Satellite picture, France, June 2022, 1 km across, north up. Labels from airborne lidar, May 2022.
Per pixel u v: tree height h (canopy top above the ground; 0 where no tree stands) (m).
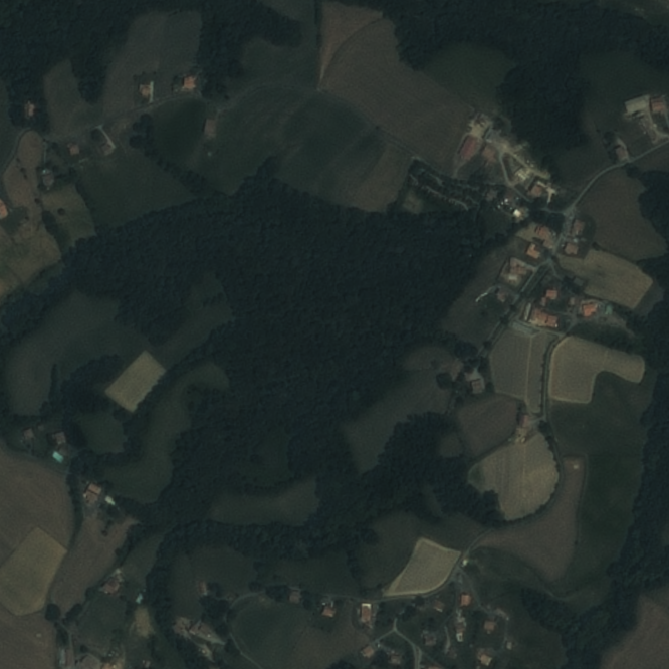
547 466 0
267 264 11
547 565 0
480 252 15
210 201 24
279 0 0
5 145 0
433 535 0
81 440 19
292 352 17
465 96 0
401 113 0
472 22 25
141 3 17
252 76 0
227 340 23
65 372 0
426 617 0
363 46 0
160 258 19
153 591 21
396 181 0
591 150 0
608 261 0
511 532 0
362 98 0
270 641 0
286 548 10
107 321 0
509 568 0
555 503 0
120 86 0
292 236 28
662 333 23
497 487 0
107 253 29
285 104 0
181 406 0
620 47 12
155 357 0
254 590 14
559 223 19
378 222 29
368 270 17
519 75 17
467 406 0
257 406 26
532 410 0
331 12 0
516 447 0
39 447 0
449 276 19
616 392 0
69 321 0
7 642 0
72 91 0
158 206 0
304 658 0
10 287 0
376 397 15
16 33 18
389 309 18
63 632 9
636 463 0
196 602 0
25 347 0
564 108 18
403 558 0
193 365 16
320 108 0
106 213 0
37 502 0
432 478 26
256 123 0
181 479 16
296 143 0
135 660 0
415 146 0
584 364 0
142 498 0
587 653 27
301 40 0
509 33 23
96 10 26
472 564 0
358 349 27
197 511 26
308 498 0
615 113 0
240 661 0
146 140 9
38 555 0
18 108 18
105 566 0
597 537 0
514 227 10
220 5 26
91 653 0
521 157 0
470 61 0
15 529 0
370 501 23
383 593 0
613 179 0
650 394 0
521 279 0
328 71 0
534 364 0
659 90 0
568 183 0
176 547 22
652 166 0
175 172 16
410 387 0
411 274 15
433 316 24
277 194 22
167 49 0
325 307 17
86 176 0
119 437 0
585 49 17
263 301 15
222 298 12
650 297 0
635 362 0
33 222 0
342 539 22
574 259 0
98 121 0
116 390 0
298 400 16
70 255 19
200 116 0
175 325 19
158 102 0
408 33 18
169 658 0
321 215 21
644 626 0
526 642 0
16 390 0
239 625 0
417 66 10
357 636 0
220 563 0
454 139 0
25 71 21
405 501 12
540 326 0
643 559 27
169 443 0
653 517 20
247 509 0
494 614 0
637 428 0
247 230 21
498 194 7
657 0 0
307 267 14
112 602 0
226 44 23
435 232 27
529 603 17
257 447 12
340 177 0
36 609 0
